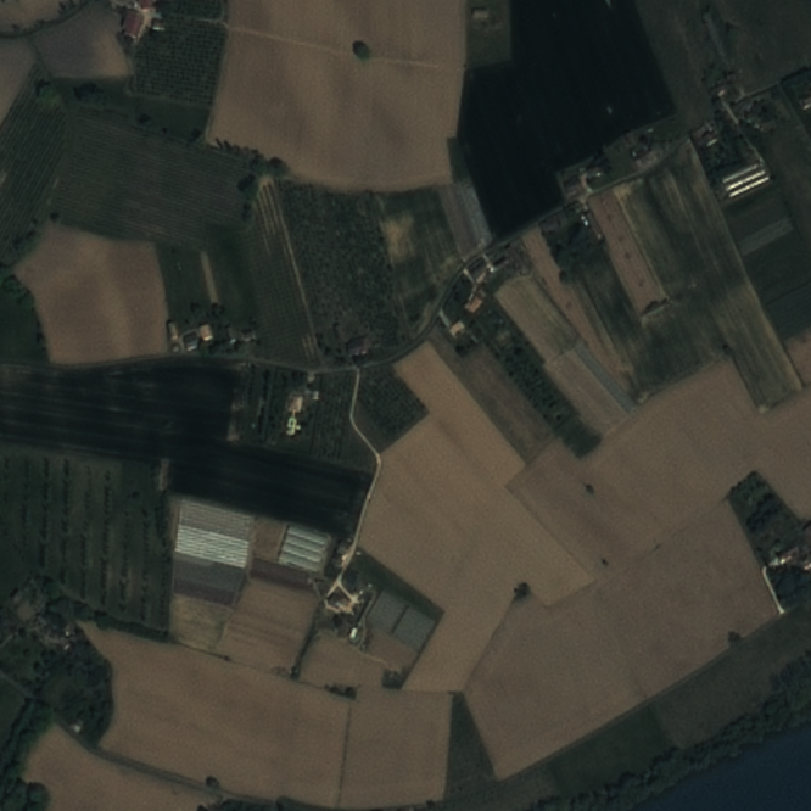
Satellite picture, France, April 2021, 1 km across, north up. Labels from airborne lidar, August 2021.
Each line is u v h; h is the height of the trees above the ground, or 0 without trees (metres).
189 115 0
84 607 11
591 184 11
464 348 8
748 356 0
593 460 0
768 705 8
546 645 0
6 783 16
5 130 5
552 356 0
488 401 0
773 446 0
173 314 0
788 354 0
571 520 0
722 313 0
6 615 11
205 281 0
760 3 0
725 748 11
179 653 0
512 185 0
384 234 11
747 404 0
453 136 0
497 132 0
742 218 0
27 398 0
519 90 0
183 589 0
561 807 13
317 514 0
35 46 0
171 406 0
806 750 0
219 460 0
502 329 7
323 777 0
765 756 0
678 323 0
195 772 0
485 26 8
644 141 10
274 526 0
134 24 0
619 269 0
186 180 5
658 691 0
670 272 0
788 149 0
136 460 0
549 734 0
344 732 0
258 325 6
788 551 0
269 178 15
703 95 0
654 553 0
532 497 0
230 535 0
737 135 10
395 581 0
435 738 0
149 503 0
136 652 0
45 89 15
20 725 11
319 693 0
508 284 0
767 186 0
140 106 0
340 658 0
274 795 0
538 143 0
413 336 0
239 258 0
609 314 0
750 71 0
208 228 0
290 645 0
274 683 0
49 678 7
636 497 0
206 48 6
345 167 0
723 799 0
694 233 0
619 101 0
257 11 0
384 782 0
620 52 0
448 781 8
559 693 0
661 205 0
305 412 8
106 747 0
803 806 0
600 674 0
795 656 0
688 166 0
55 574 0
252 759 0
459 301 7
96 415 0
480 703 0
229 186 6
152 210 5
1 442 0
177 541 0
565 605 0
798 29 0
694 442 0
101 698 14
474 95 0
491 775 7
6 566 0
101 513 0
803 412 0
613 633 0
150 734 0
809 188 0
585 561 0
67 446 0
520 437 0
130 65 0
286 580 0
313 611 0
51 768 0
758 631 0
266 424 10
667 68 0
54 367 0
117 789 0
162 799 0
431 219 0
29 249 14
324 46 0
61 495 0
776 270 0
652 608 0
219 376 0
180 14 5
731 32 13
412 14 0
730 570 0
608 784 0
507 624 0
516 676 0
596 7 0
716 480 0
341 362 12
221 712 0
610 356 0
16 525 0
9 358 0
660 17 0
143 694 0
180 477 0
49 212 0
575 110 0
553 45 0
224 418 0
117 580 0
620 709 0
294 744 0
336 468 0
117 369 0
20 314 0
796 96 8
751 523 8
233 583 0
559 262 16
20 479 0
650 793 16
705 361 0
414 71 0
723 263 0
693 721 0
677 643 0
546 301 0
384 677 0
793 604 14
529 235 0
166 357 0
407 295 0
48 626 13
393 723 0
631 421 0
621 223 0
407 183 0
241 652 0
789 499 0
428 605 0
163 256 0
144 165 6
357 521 0
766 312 0
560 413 0
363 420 0
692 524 0
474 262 0
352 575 0
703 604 0
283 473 0
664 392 0
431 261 0
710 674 0
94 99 25
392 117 0
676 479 0
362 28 0
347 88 0
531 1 0
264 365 0
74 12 20
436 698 0
